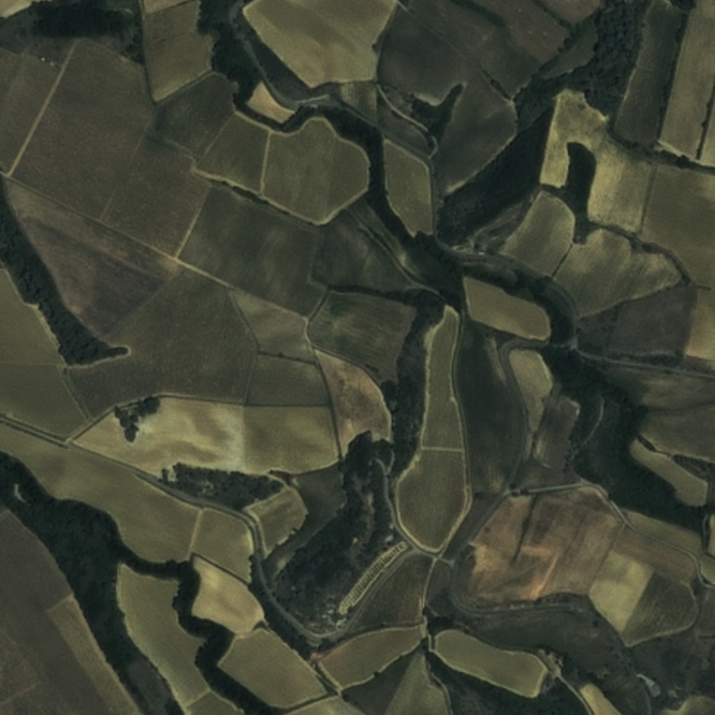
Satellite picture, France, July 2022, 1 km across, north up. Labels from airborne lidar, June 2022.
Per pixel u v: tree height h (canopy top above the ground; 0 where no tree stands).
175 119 0
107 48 0
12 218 10
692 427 0
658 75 0
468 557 0
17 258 14
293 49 0
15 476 22
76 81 0
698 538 0
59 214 0
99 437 0
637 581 0
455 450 0
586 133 0
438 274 0
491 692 8
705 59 0
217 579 0
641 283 0
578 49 0
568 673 8
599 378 11
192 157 0
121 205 0
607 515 0
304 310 0
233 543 0
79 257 0
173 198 0
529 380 0
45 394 0
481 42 0
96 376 0
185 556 0
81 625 0
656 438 0
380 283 0
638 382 0
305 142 0
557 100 0
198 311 0
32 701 0
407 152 0
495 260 0
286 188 0
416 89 0
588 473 6
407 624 0
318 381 0
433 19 0
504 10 0
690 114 0
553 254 0
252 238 0
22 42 0
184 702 0
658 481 11
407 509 0
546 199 0
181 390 0
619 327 0
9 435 0
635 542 0
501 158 8
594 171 9
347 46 0
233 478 7
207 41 0
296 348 0
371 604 0
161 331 0
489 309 0
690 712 0
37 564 0
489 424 0
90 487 0
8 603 0
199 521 0
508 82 0
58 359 0
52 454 0
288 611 9
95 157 0
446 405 0
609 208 0
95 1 7
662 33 0
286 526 0
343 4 0
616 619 0
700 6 0
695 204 0
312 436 0
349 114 9
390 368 0
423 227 0
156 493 0
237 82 8
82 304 0
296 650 7
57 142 0
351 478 7
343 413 0
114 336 0
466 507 0
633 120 0
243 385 0
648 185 0
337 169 0
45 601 0
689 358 0
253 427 0
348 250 0
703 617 0
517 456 0
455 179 0
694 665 0
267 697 0
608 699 10
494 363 0
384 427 0
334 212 0
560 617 0
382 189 13
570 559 0
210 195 0
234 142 0
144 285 0
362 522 0
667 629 0
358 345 0
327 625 0
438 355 0
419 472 0
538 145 6
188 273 0
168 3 0
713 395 0
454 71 0
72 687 0
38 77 0
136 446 0
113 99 0
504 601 0
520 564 0
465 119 0
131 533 0
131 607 0
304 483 0
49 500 5
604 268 0
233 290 0
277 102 0
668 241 0
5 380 0
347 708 0
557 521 0
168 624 0
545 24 0
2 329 0
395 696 0
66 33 10
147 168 0
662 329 0
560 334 10
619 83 16
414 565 0
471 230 5
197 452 0
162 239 0
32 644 0
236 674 0
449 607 0
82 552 10
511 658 0
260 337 0
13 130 0
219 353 0
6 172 0
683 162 12
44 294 17
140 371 0
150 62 0
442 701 0
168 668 0
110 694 0
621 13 8
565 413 0
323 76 0
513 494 7
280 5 0
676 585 0
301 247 0
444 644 0
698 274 0
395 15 0
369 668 0
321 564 7
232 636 0
